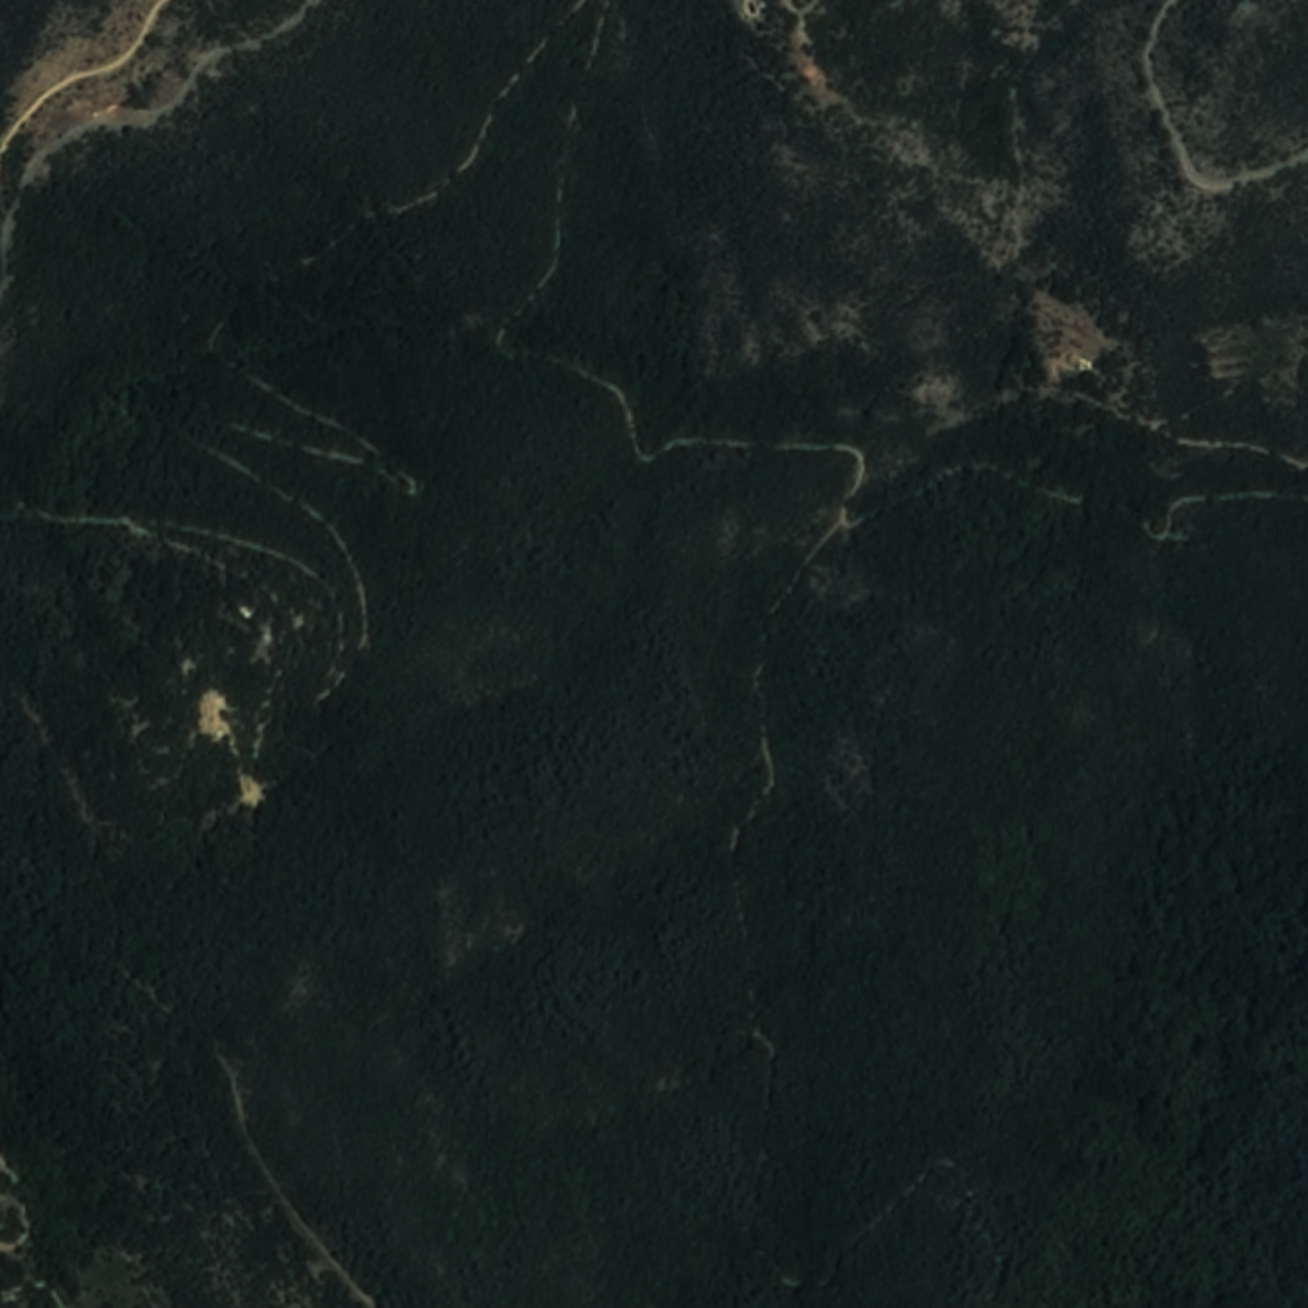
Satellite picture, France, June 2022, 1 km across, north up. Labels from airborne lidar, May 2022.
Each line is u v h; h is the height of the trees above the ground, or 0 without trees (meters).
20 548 14
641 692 5
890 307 8
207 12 9
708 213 8
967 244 7
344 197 13
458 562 6
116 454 13
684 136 8
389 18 10
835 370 7
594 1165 6
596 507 7
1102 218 8
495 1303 6
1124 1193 13
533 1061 6
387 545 11
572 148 9
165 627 11
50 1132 20
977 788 8
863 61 6
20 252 10
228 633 10
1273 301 6
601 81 8
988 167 6
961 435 6
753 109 7
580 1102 6
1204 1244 14
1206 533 6
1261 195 7
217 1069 10
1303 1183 15
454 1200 6
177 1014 9
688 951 16
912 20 7
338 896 10
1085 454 9
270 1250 7
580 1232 7
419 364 8
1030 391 9
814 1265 11
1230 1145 16
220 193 9
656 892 7
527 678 8
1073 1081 12
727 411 9
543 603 7
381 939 8
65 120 0
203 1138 11
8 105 8
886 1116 6
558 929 11
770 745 7
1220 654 9
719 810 7
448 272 7
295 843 7
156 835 12
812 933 7
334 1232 9
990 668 7
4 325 8
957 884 9
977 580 9
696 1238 8
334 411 9
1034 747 9
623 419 8
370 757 6
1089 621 11
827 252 6
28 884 16
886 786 5
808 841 9
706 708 7
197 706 9
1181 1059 10
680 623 15
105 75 0
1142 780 7
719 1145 16
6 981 17
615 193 7
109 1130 13
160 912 10
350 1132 6
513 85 8
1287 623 7
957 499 9
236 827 12
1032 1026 12
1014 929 14
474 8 15
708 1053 12
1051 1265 10
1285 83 5
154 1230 11
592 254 9
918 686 6
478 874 9
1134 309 9
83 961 12
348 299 13
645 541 8
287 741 8
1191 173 0
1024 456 9
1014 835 11
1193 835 16
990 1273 15
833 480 7
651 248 7
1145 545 7
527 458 10
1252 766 11
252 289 19
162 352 13
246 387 9
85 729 8
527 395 8
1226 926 13
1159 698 10
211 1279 8
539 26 8
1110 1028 16
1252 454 8
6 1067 16
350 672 8
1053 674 8
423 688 7
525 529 17
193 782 10
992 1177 8
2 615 13
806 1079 12
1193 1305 23
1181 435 9
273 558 9
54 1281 12
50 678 9
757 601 7
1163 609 10
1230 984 16
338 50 6
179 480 11
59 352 11
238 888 6
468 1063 16
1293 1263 13
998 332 10
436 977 7
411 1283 6
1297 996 20
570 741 13
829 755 6
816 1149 10
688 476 8
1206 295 7
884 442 6
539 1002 15
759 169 6
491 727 8
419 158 8
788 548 10
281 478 8
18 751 19
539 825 9
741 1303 17
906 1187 7
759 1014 10
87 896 15
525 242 10
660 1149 6
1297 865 10
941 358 7
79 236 10
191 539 9
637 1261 8
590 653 7
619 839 11
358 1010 7
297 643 11
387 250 7
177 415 15
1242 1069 15
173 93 0
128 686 13
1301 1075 20
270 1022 6
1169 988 8
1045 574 13
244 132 10
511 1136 9
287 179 11
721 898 8
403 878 10
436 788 7
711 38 7
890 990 9
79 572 12
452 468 7
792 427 11
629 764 7
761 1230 13
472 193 8
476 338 11
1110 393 9
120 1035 6
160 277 11
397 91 10
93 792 7
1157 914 15
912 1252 6
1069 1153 12
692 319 13
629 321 9
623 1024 8
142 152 7
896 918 8
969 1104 7
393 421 8
